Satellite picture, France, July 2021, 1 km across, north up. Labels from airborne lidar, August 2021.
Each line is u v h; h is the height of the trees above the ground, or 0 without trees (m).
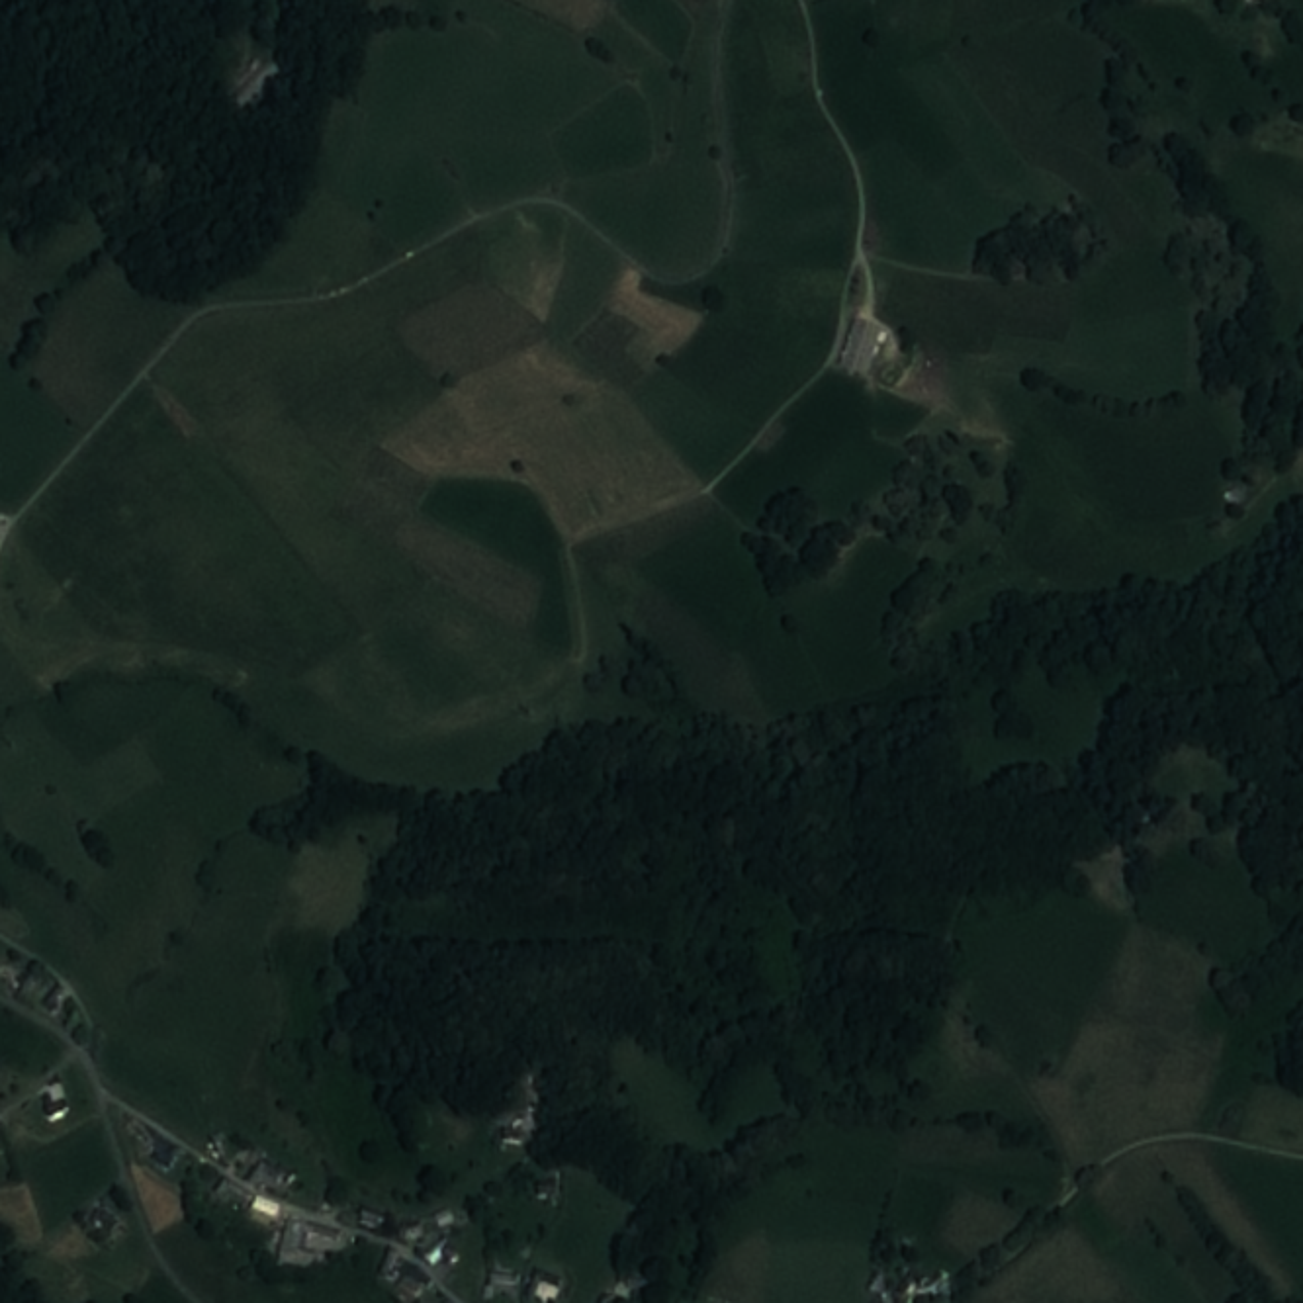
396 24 17
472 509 0
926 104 0
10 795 0
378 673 0
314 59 18
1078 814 24
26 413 0
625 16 0
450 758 0
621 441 0
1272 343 26
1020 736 10
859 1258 0
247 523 0
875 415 0
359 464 0
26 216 25
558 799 21
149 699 0
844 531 20
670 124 0
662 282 0
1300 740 25
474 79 0
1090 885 19
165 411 0
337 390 0
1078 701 0
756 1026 18
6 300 0
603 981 24
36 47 17
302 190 25
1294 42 14
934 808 23
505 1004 22
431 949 23
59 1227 0
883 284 0
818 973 6
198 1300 0
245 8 26
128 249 19
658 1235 19
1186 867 0
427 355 0
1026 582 0
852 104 0
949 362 0
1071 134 0
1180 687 6
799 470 0
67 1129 0
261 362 0
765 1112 0
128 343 0
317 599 0
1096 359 0
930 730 27
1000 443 0
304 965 0
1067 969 0
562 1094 16
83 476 0
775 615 0
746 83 0
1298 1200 0
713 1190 24
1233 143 0
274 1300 0
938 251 0
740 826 28
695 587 0
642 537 0
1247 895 0
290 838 19
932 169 0
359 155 0
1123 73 17
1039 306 0
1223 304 13
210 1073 0
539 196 0
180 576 0
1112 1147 0
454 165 0
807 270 0
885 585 0
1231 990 19
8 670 0
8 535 0
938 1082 0
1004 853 23
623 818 20
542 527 0
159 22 31
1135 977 0
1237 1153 0
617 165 0
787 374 0
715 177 0
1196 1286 0
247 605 0
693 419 0
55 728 0
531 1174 7
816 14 0
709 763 32
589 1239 0
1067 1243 0
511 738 0
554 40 0
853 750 14
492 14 0
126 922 0
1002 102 0
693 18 0
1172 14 0
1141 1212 0
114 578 0
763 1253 0
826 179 0
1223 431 0
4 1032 0
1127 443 0
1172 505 0
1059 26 0
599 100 0
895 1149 0
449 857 13
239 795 0
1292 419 25
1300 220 0
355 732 0
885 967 28
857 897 35
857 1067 7
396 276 0
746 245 0
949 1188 0
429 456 0
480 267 0
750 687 0
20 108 20
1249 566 21
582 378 0
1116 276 0
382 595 0
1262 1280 16
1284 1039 9
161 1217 0
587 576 0
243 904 0
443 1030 26
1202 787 0
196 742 0
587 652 0
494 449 0
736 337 0
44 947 0
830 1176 0
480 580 0
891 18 0
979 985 0
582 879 20
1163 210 0
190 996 0
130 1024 0
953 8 0
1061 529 0
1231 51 0
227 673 0
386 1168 0
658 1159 26
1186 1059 0
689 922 7
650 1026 25
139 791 0
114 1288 0
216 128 29
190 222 28
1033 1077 0
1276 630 34
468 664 0
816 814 31
